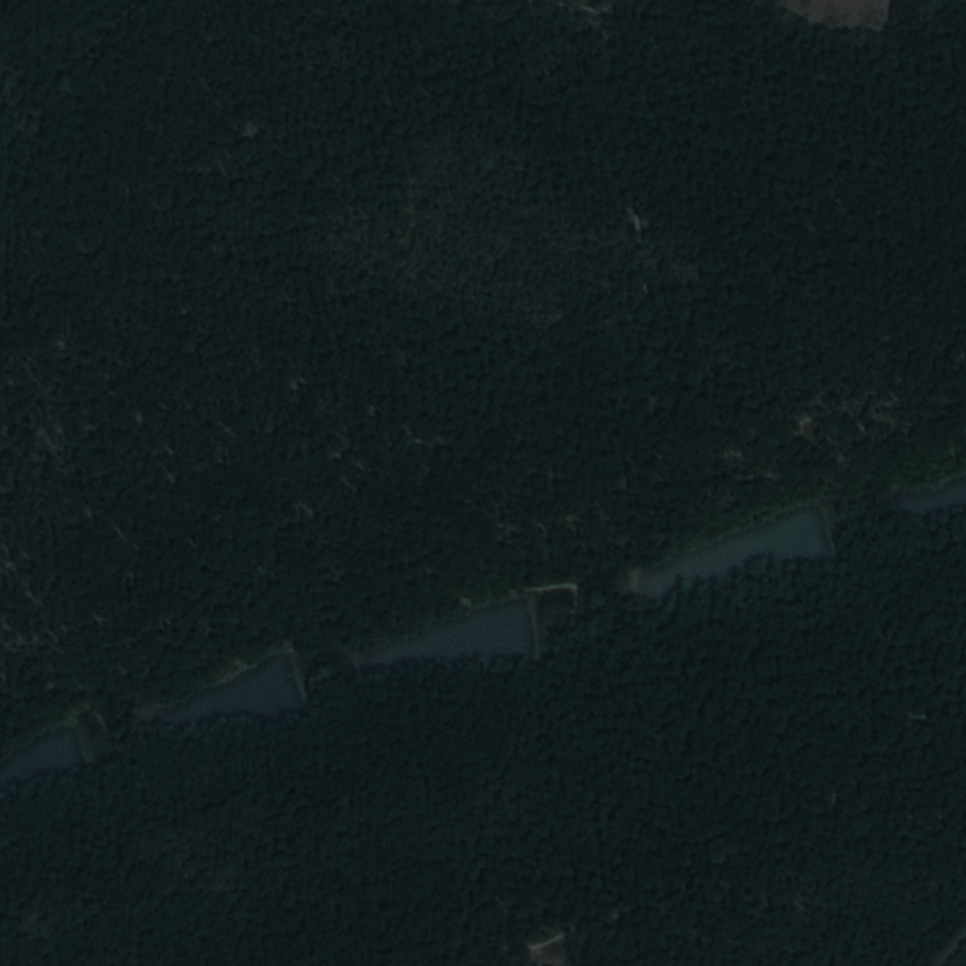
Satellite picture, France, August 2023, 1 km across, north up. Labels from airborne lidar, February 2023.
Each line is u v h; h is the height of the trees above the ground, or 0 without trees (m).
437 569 28
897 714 24
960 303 23
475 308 13
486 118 25
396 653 0
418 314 19
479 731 26
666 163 26
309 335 24
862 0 0
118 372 19
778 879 26
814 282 20
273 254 25
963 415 25
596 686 25
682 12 18
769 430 19
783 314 21
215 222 19
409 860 17
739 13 24
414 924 25
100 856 21
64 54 14
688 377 27
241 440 21
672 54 22
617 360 23
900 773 23
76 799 19
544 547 21
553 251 16
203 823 21
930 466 20
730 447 17
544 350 22
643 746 22
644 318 27
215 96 17
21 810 26
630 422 24
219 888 13
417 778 25
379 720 23
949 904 21
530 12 20
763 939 22
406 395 26
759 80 22
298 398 21
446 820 19
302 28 20
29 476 15
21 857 15
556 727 20
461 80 23
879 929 22
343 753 26
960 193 24
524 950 16
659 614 11
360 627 25
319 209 17
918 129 24
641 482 22
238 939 21
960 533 24
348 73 21
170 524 23
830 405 11
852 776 21
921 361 22
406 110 22
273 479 20
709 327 24
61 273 20
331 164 18
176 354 23
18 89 13
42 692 21
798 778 23
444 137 18
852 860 22
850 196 27
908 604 23
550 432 23
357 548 24
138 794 16
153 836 16
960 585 25
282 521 18
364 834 15
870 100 22
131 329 16
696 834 23
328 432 18
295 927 25
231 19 20
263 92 20
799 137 25
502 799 16
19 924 13
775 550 0
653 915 22
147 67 17
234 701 0
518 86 23
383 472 23
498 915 24
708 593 21
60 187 22
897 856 24
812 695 24
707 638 26
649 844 26
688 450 25
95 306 21
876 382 16
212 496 20
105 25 8
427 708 25
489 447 25
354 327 25
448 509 24
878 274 18
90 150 21
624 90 23
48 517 17
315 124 18
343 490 18
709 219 24
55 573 20
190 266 12
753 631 26
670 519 17
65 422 19
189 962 22
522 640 0
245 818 20
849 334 24
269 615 22
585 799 19
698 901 24
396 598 23
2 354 20
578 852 22
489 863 24
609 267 16
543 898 24
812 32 17
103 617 17
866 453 23
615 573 9
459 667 14
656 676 26
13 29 21
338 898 22
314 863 21
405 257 6
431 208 16
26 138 11
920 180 25
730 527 13
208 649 26
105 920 20
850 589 25
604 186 25
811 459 17
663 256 18
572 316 14
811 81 21
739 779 24
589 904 25
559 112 25
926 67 20
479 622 0
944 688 14
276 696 0
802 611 26
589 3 0
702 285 12
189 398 17
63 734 0
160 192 21
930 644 23
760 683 26
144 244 20
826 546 0
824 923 23
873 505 8
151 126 19
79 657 19
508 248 8
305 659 23
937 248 26
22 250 14
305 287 23
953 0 22
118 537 21
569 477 23
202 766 21
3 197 19
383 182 15
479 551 23
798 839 25
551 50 26
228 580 23
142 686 25
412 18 21
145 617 16
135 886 16
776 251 26
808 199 23
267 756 23
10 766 0
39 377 22
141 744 20
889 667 21
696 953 26
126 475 24
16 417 18
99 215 21
